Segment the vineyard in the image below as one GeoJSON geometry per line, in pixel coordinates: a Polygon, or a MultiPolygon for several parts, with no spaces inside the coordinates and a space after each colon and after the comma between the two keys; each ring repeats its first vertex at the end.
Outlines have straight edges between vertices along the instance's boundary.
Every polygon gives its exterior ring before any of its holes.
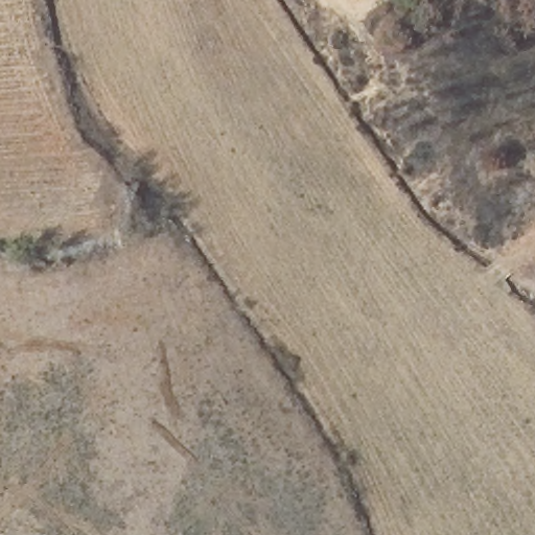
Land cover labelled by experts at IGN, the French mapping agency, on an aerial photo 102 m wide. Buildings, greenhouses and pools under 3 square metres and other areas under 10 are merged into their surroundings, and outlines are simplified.
{"type": "Polygon", "coordinates": [[[40,46],[42,36],[38,36],[33,42],[25,40],[25,25],[33,19],[31,0],[0,0],[0,238],[40,238],[42,232],[48,228],[63,232],[67,238],[79,230],[86,232],[98,226],[102,217],[100,209],[92,209],[92,201],[102,180],[102,171],[94,171],[94,167],[88,163],[88,157],[94,150],[84,144],[73,123],[69,130],[61,130],[59,119],[48,117],[54,104],[50,102],[46,92],[48,84],[38,75],[38,67],[33,61],[33,52],[40,46]]]}
{"type": "Polygon", "coordinates": [[[382,2],[387,0],[320,0],[320,6],[334,8],[336,13],[347,17],[347,21],[366,19],[368,13],[376,8],[378,2],[382,2]]]}

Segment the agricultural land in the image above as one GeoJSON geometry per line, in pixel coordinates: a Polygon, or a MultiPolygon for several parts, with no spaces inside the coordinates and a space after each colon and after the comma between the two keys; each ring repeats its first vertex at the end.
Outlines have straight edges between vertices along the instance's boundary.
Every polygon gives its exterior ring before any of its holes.
{"type": "Polygon", "coordinates": [[[274,370],[270,357],[265,357],[259,351],[253,336],[245,330],[242,322],[230,311],[219,286],[207,278],[205,270],[199,265],[194,257],[178,257],[176,245],[167,234],[148,238],[138,249],[123,245],[121,230],[107,230],[104,234],[86,240],[82,242],[86,253],[92,251],[92,247],[109,245],[109,259],[92,263],[73,263],[67,265],[63,272],[48,270],[36,274],[25,263],[13,263],[0,257],[0,535],[362,535],[362,522],[355,518],[355,510],[347,497],[347,489],[339,483],[330,453],[322,447],[316,431],[307,424],[307,416],[301,412],[301,405],[293,401],[286,393],[284,380],[274,370]]]}
{"type": "Polygon", "coordinates": [[[63,36],[63,48],[71,54],[82,56],[84,63],[94,71],[94,90],[100,92],[98,102],[104,117],[115,125],[115,130],[121,136],[121,142],[130,150],[136,150],[138,155],[155,150],[153,178],[161,180],[165,192],[176,194],[178,203],[184,203],[180,219],[184,222],[186,230],[192,232],[203,253],[209,257],[217,274],[234,293],[240,311],[245,311],[261,330],[265,343],[282,343],[288,351],[301,357],[301,370],[305,378],[297,385],[299,391],[307,397],[324,431],[328,433],[330,426],[336,426],[343,435],[343,441],[353,451],[357,451],[357,464],[351,474],[355,483],[362,487],[364,506],[370,512],[372,529],[376,535],[535,535],[535,224],[525,230],[520,238],[508,240],[502,247],[487,249],[479,240],[468,240],[468,249],[491,261],[489,268],[481,268],[462,253],[458,253],[447,238],[439,236],[431,226],[426,226],[416,215],[410,199],[399,190],[395,180],[389,176],[389,167],[382,163],[378,150],[357,130],[355,119],[349,115],[349,109],[334,92],[324,71],[313,63],[311,52],[307,50],[307,46],[303,44],[303,40],[299,38],[299,33],[295,31],[295,27],[290,25],[290,21],[286,19],[276,0],[54,0],[63,36]]]}

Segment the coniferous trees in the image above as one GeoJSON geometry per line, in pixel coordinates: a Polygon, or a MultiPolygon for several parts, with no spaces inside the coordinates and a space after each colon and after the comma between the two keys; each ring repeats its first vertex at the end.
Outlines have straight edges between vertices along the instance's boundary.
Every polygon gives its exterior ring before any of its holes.
{"type": "Polygon", "coordinates": [[[410,42],[403,44],[405,52],[414,52],[424,42],[437,40],[439,48],[433,50],[433,56],[439,69],[433,73],[431,82],[451,79],[451,86],[437,90],[435,96],[441,100],[458,100],[458,107],[453,107],[451,111],[451,121],[443,123],[441,127],[441,132],[449,134],[453,142],[476,144],[485,138],[493,138],[493,134],[499,130],[512,127],[512,119],[493,119],[495,107],[506,107],[508,111],[522,115],[531,115],[535,111],[535,0],[387,0],[382,2],[387,13],[391,15],[391,21],[401,27],[403,36],[410,38],[410,42]]]}

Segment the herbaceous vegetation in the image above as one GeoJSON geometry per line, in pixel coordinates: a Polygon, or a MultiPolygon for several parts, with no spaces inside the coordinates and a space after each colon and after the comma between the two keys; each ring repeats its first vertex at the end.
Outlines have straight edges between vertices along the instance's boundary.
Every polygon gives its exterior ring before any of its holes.
{"type": "Polygon", "coordinates": [[[71,54],[77,84],[86,102],[98,119],[104,117],[98,102],[100,92],[94,90],[94,71],[84,63],[82,56],[71,54]]]}
{"type": "Polygon", "coordinates": [[[33,52],[33,61],[38,67],[38,75],[48,84],[46,92],[50,102],[54,104],[48,117],[59,119],[61,130],[69,130],[73,123],[65,98],[63,75],[52,52],[52,40],[46,36],[40,19],[48,13],[46,0],[31,0],[33,19],[25,25],[25,40],[33,42],[38,36],[42,36],[40,46],[33,52]]]}
{"type": "Polygon", "coordinates": [[[88,157],[88,163],[94,167],[94,171],[102,171],[102,180],[92,201],[92,209],[100,209],[102,217],[98,226],[86,232],[86,240],[104,234],[107,230],[121,230],[123,245],[138,249],[148,238],[127,230],[132,203],[136,196],[115,180],[107,161],[94,150],[88,157]]]}

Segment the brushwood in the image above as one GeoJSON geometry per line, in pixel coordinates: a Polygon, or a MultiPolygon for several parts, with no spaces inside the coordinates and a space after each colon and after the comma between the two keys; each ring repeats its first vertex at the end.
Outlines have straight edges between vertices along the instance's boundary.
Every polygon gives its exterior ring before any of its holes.
{"type": "Polygon", "coordinates": [[[313,63],[324,71],[334,92],[349,109],[349,115],[355,119],[357,130],[378,150],[382,163],[389,167],[389,176],[395,180],[399,190],[410,199],[416,215],[426,226],[431,226],[439,236],[447,238],[458,253],[462,253],[481,268],[489,268],[491,261],[468,249],[468,240],[479,240],[487,249],[502,247],[508,240],[520,238],[525,230],[535,224],[535,111],[531,115],[522,115],[508,111],[506,107],[495,107],[493,119],[512,119],[512,127],[499,130],[493,134],[493,138],[485,138],[476,144],[453,142],[449,134],[441,132],[441,127],[443,123],[451,121],[451,111],[453,107],[458,107],[458,100],[441,100],[435,96],[437,90],[451,86],[451,79],[431,82],[433,73],[439,69],[433,56],[433,50],[439,48],[437,40],[424,42],[414,52],[405,52],[403,44],[410,42],[410,38],[403,36],[401,27],[391,21],[391,15],[387,13],[382,2],[378,2],[376,8],[368,13],[366,19],[347,21],[347,17],[336,13],[334,8],[320,6],[320,0],[276,0],[286,19],[290,21],[290,25],[295,27],[295,31],[299,33],[299,38],[303,40],[303,44],[307,46],[307,50],[311,52],[313,63]]]}
{"type": "Polygon", "coordinates": [[[25,263],[36,274],[48,270],[63,272],[67,265],[73,263],[92,263],[109,259],[109,245],[92,247],[92,251],[86,253],[82,242],[86,240],[86,232],[79,230],[67,238],[63,232],[48,228],[42,232],[40,238],[0,238],[0,257],[13,263],[25,263]]]}
{"type": "Polygon", "coordinates": [[[347,497],[355,510],[355,518],[362,522],[362,535],[376,535],[372,529],[370,512],[364,506],[362,487],[355,483],[351,474],[357,464],[357,451],[353,451],[343,441],[343,435],[336,426],[330,426],[328,433],[324,431],[307,397],[299,391],[297,385],[305,378],[301,370],[301,357],[288,351],[282,343],[265,343],[261,330],[245,311],[240,311],[234,293],[217,274],[209,257],[203,253],[192,232],[186,230],[184,222],[180,219],[184,203],[178,203],[176,194],[165,192],[161,180],[153,178],[155,150],[138,155],[136,150],[130,150],[121,142],[121,136],[115,130],[115,125],[104,117],[98,119],[86,102],[77,84],[71,54],[63,48],[63,36],[54,0],[46,0],[48,13],[40,19],[46,36],[52,40],[52,52],[63,75],[65,98],[73,123],[84,144],[94,150],[107,161],[115,180],[136,196],[132,203],[127,230],[148,238],[167,234],[176,245],[178,257],[194,257],[199,265],[205,270],[207,278],[219,286],[230,311],[242,322],[245,330],[253,336],[259,351],[265,357],[270,357],[274,370],[284,380],[286,393],[293,401],[301,405],[301,412],[307,416],[307,424],[316,431],[322,447],[330,453],[339,483],[347,489],[347,497]]]}

